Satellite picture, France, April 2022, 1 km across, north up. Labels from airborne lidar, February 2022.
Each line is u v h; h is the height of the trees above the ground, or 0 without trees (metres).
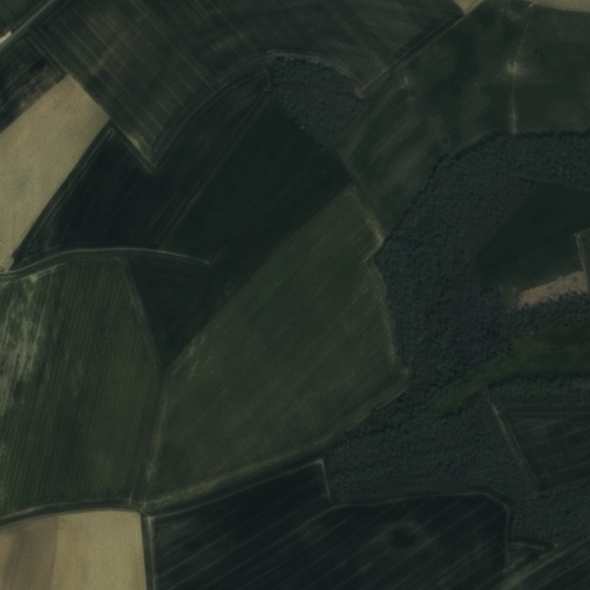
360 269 0
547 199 0
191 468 0
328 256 0
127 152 0
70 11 0
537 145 22
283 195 0
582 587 0
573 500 10
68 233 0
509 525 0
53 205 0
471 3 0
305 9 0
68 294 0
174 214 0
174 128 0
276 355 0
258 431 0
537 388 15
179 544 0
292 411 0
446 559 0
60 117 0
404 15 0
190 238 0
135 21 0
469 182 16
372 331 0
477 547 0
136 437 0
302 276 0
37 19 0
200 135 0
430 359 16
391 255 17
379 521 0
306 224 0
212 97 0
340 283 0
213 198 0
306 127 10
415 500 0
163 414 0
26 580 0
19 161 0
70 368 0
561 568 0
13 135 0
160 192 0
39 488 0
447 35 0
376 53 0
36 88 0
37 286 0
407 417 10
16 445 0
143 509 0
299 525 0
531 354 0
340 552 0
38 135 0
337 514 0
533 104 0
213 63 0
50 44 0
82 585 0
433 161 0
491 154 19
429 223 6
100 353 0
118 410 0
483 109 0
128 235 0
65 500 0
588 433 0
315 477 0
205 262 0
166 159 0
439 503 0
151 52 0
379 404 0
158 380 0
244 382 0
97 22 0
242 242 0
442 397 17
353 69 0
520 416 0
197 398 0
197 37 0
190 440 0
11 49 0
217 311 0
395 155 0
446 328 18
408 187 0
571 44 0
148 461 0
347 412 0
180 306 0
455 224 13
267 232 0
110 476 0
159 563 0
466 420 16
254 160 0
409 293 21
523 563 0
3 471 0
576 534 13
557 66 0
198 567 0
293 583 0
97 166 0
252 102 0
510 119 0
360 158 0
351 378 0
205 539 0
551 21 0
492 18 0
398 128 0
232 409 0
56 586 0
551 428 0
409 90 0
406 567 0
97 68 0
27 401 0
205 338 0
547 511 14
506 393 18
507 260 0
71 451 0
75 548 0
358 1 0
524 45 0
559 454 0
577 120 0
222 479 0
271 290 0
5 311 0
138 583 0
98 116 0
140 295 0
